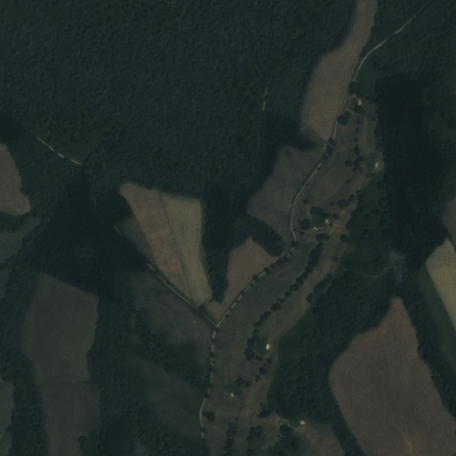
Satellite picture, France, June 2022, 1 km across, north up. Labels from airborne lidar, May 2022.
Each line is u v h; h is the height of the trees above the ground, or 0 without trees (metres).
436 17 13
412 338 0
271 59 21
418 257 21
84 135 18
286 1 18
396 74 15
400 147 16
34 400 15
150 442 21
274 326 0
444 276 0
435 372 15
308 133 0
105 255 21
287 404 13
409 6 15
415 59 9
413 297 10
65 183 14
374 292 11
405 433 0
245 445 0
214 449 0
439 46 14
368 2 0
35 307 0
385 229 15
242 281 0
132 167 9
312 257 13
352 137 0
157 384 0
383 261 7
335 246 0
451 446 0
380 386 0
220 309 0
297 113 9
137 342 0
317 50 9
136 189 0
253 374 0
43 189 10
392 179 24
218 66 21
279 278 0
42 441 9
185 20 17
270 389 0
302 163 0
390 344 0
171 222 0
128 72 19
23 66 16
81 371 0
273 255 9
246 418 0
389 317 0
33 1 12
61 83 20
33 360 0
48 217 16
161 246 0
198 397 0
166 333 0
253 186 18
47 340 0
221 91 24
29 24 7
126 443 19
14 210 0
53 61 23
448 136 0
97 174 11
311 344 13
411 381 0
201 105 19
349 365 0
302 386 8
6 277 0
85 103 24
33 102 24
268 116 21
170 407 0
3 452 0
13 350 11
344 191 0
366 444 0
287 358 0
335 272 0
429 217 21
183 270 0
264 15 20
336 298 26
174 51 20
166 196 0
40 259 9
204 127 19
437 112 10
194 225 0
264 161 16
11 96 19
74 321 0
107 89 14
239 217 12
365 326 11
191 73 20
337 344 16
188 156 23
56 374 0
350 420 0
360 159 11
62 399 0
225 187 15
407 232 26
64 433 0
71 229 22
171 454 13
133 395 7
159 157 18
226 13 21
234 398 0
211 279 8
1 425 0
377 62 7
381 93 15
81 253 9
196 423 0
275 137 20
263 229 12
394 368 0
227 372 0
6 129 23
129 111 22
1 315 15
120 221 19
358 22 0
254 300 0
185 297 0
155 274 6
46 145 11
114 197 14
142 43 15
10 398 0
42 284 0
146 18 18
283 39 18
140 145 21
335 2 8
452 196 0
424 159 25
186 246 0
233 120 20
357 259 0
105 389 9
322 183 0
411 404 0
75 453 0
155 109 18
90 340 0
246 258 0
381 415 0
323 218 9
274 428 0
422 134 26
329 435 0
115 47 18
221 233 24
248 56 18
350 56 0
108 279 19
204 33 20
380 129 9
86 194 20
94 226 23
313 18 16
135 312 11
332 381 0
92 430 0
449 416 0
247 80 21
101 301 11
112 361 14
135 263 21
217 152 19
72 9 14
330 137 0
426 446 0
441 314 0
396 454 0
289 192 0
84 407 0
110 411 8
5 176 0
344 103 0
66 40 17
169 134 19
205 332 0
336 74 0
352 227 19
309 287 0
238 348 0
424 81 20
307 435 0
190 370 10
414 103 26
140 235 0
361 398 0
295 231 10
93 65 17
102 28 17
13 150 12
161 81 16
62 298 0
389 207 21
